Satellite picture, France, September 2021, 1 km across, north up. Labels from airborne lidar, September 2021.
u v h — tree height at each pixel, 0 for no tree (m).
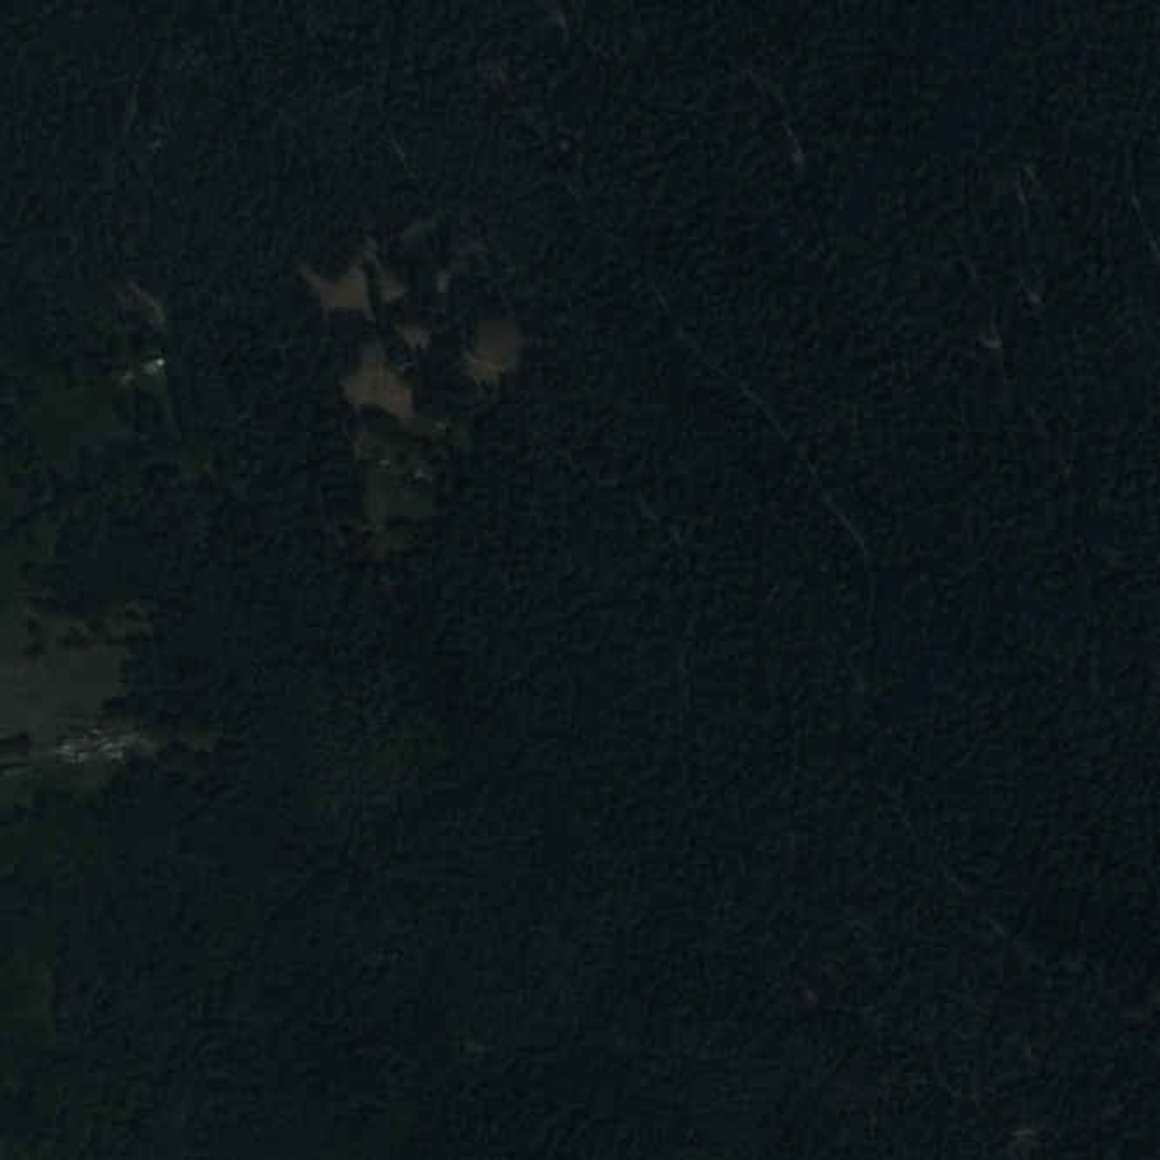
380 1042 28
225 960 22
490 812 25
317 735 19
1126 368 19
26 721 0
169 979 19
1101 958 20
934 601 18
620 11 22
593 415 27
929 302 22
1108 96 23
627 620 22
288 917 30
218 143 29
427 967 24
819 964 22
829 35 20
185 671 23
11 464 22
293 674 26
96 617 16
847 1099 19
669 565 26
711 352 16
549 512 18
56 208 24
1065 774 17
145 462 16
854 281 21
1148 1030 13
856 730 17
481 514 28
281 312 22
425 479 5
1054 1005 21
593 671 22
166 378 0
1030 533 26
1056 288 14
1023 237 17
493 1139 26
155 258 22
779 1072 20
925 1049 15
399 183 17
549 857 27
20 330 19
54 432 0
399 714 16
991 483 27
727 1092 13
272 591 17
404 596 22
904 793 11
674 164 22
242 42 18
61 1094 25
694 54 16
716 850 25
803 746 8
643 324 16
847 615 21
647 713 14
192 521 22
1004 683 23
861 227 32
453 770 31
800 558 29
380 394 0
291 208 23
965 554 18
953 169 16
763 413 14
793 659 14
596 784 12
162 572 28
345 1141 26
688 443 15
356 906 20
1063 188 25
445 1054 23
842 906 23
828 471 20
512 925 23
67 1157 27
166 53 22
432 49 29
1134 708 19
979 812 23
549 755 25
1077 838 24
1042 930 22
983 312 24
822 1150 27
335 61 17
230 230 21
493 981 20
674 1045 12
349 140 22
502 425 23
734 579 23
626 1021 15
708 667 21
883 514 19
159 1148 19
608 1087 28
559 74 21
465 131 22
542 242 28
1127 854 16
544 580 22
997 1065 16
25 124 13
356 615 24
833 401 21
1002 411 20
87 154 24
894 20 12
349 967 27
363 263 0
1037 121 10
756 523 9
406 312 13
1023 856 19
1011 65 20
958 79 14
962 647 13
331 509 14
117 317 13
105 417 0
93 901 26
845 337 20
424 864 32
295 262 22
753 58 16
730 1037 19
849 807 6
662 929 31
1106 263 28
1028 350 11
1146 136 16
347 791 15
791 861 23
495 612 20
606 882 12
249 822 21
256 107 24
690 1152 13
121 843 29
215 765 17
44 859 25
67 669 0
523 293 23
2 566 0
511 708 20
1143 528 9
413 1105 20
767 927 20
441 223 14
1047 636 17
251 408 15
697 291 27
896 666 25
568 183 15
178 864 21
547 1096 29
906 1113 19
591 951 19
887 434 19
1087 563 8
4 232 27
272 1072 22
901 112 15
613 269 20
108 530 15
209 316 16
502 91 8
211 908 25
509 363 0
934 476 10
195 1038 37
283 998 26
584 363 15
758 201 28
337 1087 27
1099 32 23
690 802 25
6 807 0
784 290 26
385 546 0
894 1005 21
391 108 13
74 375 21
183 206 26
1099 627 8
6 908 23
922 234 19
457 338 17
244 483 20
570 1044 22
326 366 33
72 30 26
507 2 29
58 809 25
